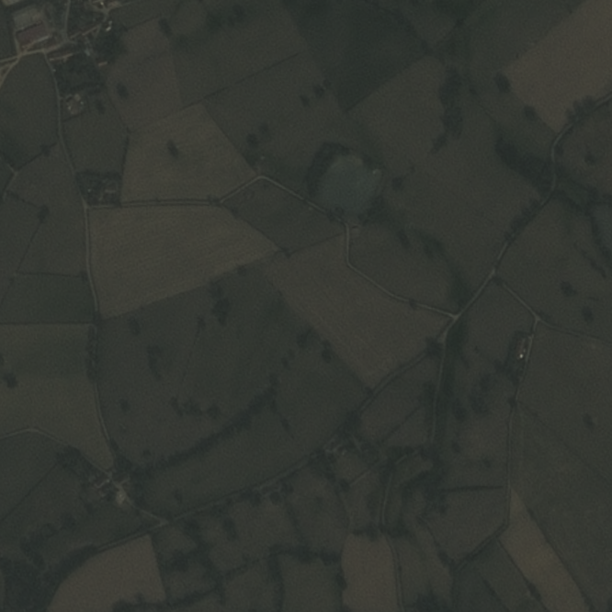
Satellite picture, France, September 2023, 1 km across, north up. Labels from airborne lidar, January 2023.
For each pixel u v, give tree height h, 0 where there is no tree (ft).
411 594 0
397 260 0
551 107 0
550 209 0
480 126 0
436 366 0
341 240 0
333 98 0
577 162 0
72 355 0
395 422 0
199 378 0
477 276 0
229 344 0
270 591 0
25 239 0
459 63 0
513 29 0
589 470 0
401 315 0
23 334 0
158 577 0
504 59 0
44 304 0
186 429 0
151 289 0
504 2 0
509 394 0
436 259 0
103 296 0
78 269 0
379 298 0
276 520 0
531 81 0
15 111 0
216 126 0
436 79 0
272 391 29
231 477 0
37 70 0
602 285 0
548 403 0
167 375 0
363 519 0
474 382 0
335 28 0
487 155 0
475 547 0
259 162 0
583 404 0
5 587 0
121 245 0
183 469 0
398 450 0
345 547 0
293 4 0
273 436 0
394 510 0
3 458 0
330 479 33
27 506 0
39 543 57
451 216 0
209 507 0
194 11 0
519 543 0
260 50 0
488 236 0
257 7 0
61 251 0
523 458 0
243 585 0
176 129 0
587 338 0
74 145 0
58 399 0
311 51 0
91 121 0
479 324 0
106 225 0
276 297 0
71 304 0
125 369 0
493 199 0
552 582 0
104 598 0
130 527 0
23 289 0
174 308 0
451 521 0
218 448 0
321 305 0
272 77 0
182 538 0
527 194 0
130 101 0
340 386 0
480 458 0
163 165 0
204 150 0
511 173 0
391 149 0
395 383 0
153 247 0
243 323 0
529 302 0
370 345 0
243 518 0
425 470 0
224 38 0
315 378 0
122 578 0
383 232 0
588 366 0
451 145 0
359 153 0
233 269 0
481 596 0
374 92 0
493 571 0
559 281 0
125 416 0
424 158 0
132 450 0
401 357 0
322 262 0
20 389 0
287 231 0
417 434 0
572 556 0
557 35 0
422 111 0
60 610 0
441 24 0
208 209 0
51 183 0
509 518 0
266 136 31
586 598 49
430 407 0
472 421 0
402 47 0
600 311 0
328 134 0
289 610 0
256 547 0
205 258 0
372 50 0
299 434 0
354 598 0
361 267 0
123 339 0
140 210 0
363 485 0
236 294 0
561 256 0
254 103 0
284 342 0
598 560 0
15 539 0
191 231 0
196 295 0
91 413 0
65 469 24
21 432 0
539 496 0
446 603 0
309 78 0
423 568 0
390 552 0
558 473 0
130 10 0
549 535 0
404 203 0
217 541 0
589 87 0
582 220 0
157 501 0
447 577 0
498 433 0
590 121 0
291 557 50
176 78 0
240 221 0
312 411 0
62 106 0
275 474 0
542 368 0
